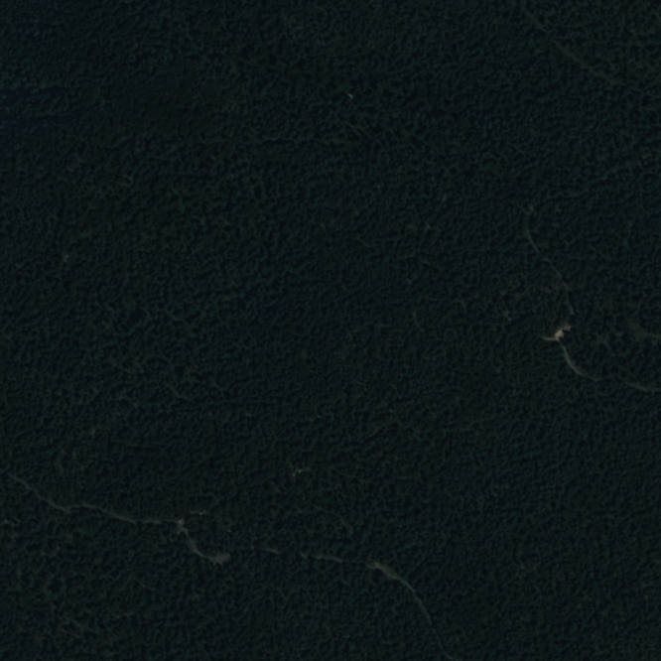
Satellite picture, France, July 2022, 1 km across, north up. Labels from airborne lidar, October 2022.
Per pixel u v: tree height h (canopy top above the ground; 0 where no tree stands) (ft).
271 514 85
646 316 63
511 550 72
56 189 65
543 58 60
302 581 74
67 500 31
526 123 81
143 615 64
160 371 93
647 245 50
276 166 76
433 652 40
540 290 59
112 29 81
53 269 101
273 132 94
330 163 30
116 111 99
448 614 73
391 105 56
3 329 91
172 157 80
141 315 62
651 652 47
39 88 35
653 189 67
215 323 80
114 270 91
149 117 89
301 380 70
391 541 49
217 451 31
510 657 92
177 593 55
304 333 85
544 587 47
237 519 90
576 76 76
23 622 84
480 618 74
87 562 52
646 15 68
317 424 53
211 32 56
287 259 69
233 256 72
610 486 65
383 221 62
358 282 72
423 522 32
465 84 69
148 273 57
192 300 113
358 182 31
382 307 68
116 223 75
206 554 72
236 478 56
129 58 74
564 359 71
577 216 63
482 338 69
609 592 75
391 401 73
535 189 69
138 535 29
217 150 89
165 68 77
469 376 41
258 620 81
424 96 60
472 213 81
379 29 54
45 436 83
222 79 61
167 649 27
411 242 62
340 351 51
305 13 52
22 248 52
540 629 69
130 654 83
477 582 28
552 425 64
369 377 56
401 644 68
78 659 116
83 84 91
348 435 55
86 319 88
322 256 69
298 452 37
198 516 30
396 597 57
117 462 66
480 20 53
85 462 73
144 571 45
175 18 118
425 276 74
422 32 62
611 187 46
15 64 82
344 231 64
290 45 85
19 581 93
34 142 63
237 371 67
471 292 63
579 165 79
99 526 72
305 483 63
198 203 56
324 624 58
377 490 58
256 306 65
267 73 22
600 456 42
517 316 45
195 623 66
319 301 74
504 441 30
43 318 93
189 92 87
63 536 74
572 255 74
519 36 52
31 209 55
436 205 93
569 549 79
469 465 62
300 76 25
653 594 49
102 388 78
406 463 88
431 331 67
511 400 73
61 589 109
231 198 39
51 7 64
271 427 54
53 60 100
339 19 31
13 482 68
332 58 34
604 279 108
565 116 72
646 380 47
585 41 94
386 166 28
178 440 81
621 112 19
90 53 92
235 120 106
